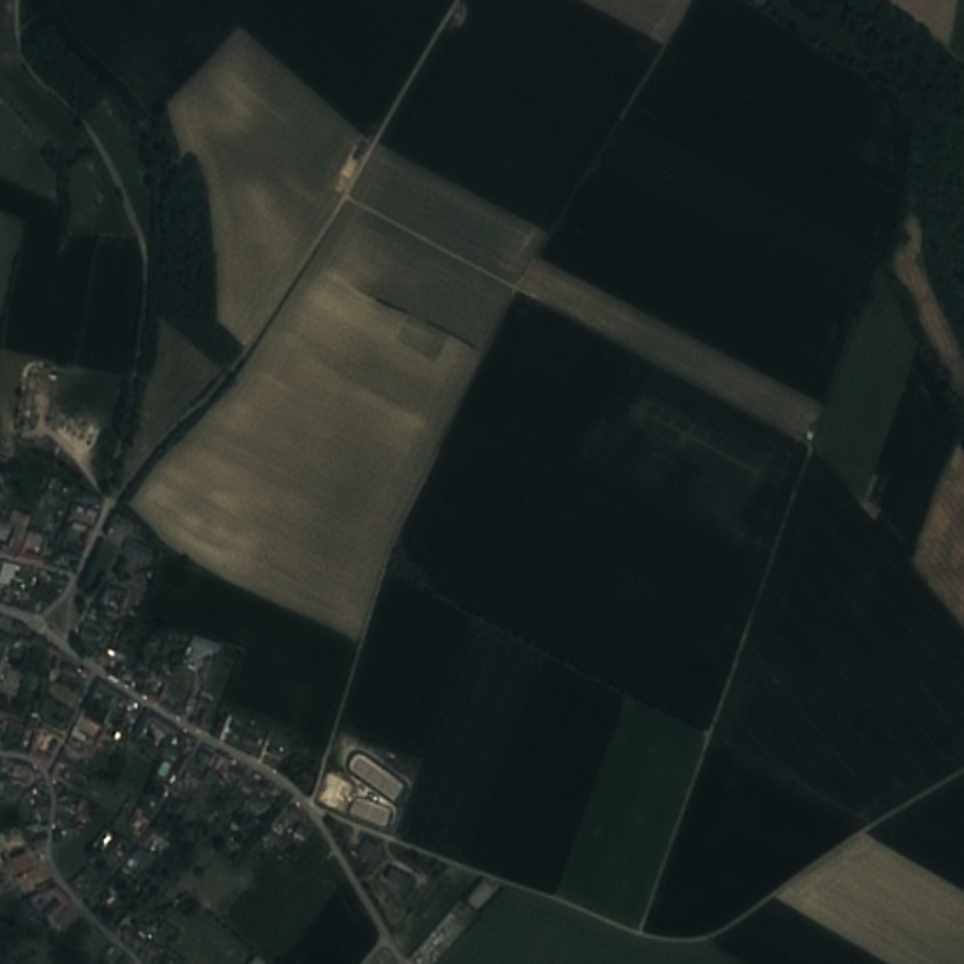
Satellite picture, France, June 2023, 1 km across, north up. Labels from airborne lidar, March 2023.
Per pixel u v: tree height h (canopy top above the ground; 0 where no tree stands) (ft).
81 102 56
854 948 0
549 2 0
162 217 53
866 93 0
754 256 0
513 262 0
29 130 0
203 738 0
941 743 0
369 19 0
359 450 0
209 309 50
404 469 0
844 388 0
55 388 0
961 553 0
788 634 0
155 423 0
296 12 0
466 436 0
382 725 0
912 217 0
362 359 0
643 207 0
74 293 0
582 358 0
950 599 0
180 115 0
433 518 0
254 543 0
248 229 0
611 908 0
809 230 0
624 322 0
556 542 0
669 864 0
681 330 0
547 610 0
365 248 0
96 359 0
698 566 0
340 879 0
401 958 0
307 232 0
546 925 0
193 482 0
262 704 0
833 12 30
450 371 0
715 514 0
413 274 0
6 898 0
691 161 0
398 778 0
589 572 0
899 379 0
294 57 0
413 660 0
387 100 0
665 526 0
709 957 0
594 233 0
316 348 0
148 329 25
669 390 0
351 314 0
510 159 0
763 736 0
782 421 0
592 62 0
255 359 0
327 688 0
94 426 0
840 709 0
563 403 0
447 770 0
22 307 0
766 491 0
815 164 0
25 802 0
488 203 0
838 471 0
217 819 30
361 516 0
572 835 0
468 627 0
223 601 0
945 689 0
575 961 0
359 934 0
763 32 0
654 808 0
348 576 0
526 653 0
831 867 0
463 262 0
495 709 0
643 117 0
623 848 0
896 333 0
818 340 0
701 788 0
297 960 0
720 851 0
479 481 0
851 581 0
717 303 0
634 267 0
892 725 0
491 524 0
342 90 0
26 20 0
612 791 0
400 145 0
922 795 0
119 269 0
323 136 0
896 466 0
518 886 0
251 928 0
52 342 0
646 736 0
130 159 0
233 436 0
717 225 0
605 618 0
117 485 25
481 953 0
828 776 0
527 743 0
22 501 0
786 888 0
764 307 0
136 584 0
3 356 0
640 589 0
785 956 0
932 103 36
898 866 0
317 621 0
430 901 0
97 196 0
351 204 0
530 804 0
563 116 0
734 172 0
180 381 0
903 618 0
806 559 0
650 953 0
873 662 0
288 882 0
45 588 0
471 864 0
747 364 0
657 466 0
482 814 0
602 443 0
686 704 0
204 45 0
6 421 0
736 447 0
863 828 0
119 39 0
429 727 0
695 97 0
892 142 0
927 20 0
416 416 0
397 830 0
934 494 0
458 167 0
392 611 0
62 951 0
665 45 0
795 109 0
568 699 0
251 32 0
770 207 0
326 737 0
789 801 0
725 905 0
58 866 0
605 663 0
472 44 0
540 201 0
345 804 0
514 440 0
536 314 0
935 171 35
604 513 0
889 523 0
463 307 0
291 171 0
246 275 0
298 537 0
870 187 0
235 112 0
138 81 0
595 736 0
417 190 0
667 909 0
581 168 0
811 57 0
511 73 0
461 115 0
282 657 0
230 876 0
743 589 0
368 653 0
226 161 0
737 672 0
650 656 0
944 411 0
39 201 0
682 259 0
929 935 0
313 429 0
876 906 0
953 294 21
